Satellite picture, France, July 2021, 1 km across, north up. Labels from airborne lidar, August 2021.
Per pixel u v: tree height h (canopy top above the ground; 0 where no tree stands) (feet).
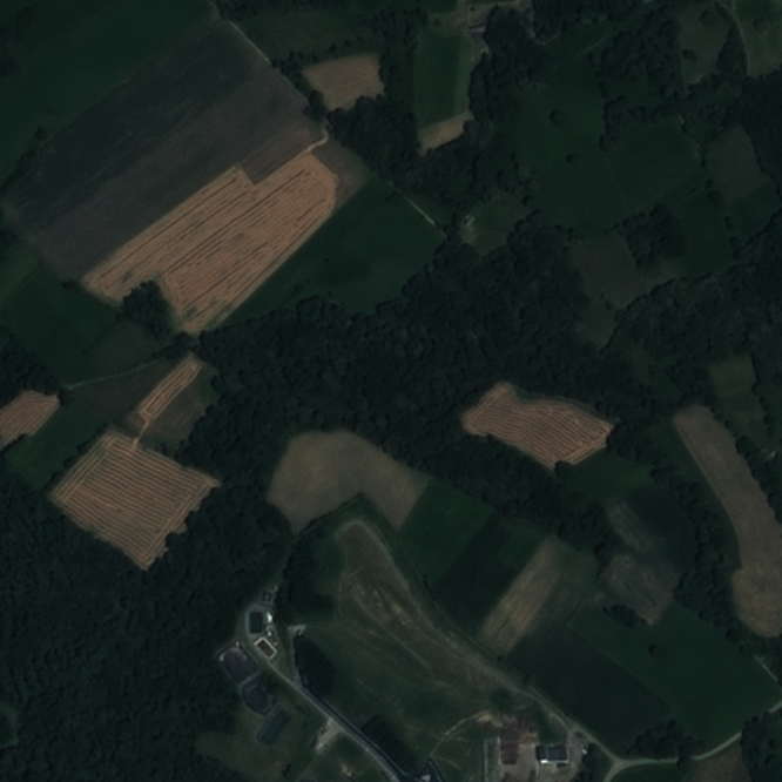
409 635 0
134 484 0
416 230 0
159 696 74
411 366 54
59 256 0
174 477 0
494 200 54
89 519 0
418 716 0
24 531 21
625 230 53
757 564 0
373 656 0
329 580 0
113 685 91
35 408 0
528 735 0
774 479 75
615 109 66
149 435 0
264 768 0
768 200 0
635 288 0
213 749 0
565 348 86
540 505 65
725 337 68
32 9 24
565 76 0
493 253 23
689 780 0
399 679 0
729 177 0
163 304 64
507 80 70
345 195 0
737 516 0
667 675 0
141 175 0
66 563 78
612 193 0
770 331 68
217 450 72
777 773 64
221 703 67
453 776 0
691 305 62
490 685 0
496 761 0
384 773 0
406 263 0
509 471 84
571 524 32
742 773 0
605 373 59
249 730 0
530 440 0
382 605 0
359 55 0
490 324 67
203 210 0
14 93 0
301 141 0
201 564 93
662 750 84
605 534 42
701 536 62
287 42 0
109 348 0
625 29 0
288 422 75
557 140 0
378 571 0
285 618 50
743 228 0
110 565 69
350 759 0
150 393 0
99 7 0
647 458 82
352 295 0
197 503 0
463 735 0
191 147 0
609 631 0
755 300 85
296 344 89
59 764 68
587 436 0
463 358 47
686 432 0
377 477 0
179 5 0
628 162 0
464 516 0
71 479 0
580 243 53
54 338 0
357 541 0
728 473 0
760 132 56
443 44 0
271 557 79
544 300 65
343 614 0
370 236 0
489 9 0
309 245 0
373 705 0
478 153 37
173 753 82
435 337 66
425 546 0
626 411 68
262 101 0
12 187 28
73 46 0
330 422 88
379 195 0
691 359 49
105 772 87
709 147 20
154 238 0
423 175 60
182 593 93
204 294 0
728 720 0
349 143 38
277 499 0
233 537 98
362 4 0
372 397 98
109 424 21
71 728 89
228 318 0
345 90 0
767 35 0
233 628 51
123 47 0
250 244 0
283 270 0
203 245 0
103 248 0
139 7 0
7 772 68
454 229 35
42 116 0
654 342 64
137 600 76
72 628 79
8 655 73
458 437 88
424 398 62
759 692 0
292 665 0
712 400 71
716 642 0
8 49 50
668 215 53
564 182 0
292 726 0
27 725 33
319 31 0
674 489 65
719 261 0
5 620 78
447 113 0
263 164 0
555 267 57
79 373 0
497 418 0
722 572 73
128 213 0
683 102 80
